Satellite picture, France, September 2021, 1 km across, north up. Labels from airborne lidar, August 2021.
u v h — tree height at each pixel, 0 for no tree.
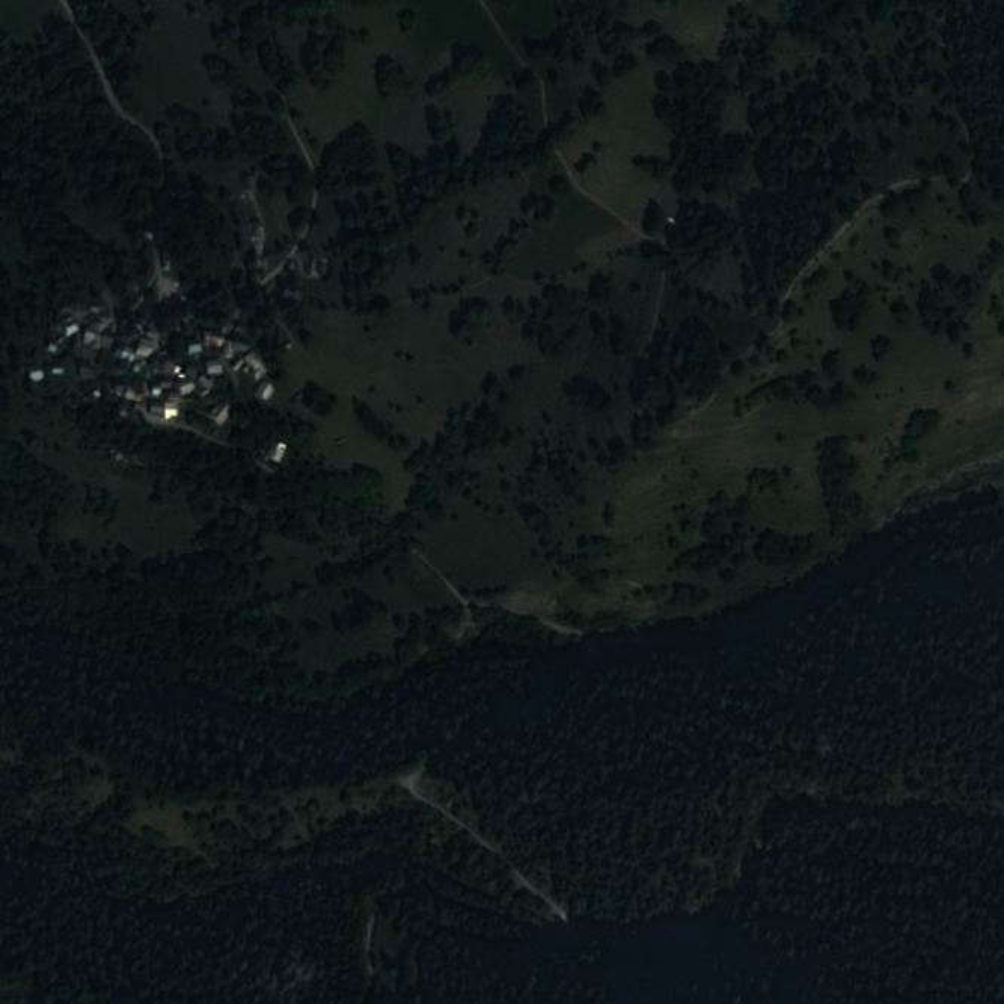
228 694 26
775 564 17
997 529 0
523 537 0
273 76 15
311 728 18
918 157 0
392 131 0
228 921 10
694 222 16
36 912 17
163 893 16
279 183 20
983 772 11
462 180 13
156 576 23
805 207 27
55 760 17
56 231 25
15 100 20
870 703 30
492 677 17
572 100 0
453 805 11
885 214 18
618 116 0
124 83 20
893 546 12
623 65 17
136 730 28
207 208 18
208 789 13
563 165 0
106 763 10
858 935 29
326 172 13
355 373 0
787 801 8
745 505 17
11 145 15
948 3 16
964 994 27
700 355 18
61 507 16
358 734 22
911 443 15
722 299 0
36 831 14
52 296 11
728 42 6
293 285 13
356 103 0
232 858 14
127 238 9
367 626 21
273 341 14
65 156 7
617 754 30
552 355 18
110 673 17
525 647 16
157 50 0
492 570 0
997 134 9
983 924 17
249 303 15
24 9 0
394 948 0
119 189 24
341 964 21
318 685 12
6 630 19
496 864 15
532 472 8
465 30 0
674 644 9
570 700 28
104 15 22
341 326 0
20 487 20
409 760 8
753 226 16
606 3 18
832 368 13
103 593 18
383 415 0
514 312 12
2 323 17
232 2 15
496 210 0
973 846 25
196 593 29
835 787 43
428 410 0
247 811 8
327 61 20
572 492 16
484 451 15
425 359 0
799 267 17
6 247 0
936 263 0
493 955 6
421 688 25
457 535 0
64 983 30
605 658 7
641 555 0
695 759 10
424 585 0
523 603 0
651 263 16
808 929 23
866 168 8
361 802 8
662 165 8
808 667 26
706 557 13
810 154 19
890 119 19
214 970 30
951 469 0
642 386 13
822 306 0
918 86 12
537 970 10
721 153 16
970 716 18
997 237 0
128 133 13
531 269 0
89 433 17
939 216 0
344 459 0
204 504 23
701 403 10
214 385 7
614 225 0
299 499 18
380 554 12
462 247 0
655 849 18
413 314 0
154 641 28
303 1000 23
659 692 29
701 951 17
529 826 29
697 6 0
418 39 0
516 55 0
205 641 26
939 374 0
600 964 30
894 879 10
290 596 6
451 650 16
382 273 16
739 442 0
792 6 11
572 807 23
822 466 11
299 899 29
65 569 22
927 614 20
